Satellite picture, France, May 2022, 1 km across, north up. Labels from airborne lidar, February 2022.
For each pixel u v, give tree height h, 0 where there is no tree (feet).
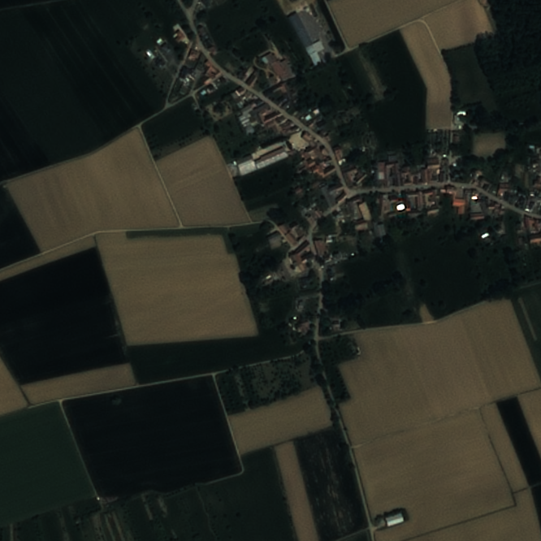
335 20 0
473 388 0
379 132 0
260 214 0
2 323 0
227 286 0
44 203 0
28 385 0
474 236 44
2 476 0
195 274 0
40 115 0
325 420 0
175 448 0
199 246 0
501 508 0
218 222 0
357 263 0
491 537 0
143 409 0
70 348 0
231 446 0
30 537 0
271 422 0
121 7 0
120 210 0
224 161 0
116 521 0
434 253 0
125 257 0
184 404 0
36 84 0
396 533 0
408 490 0
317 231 0
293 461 0
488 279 0
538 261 0
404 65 0
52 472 0
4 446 0
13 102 0
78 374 0
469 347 0
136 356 0
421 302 0
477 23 0
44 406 0
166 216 0
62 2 0
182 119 0
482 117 102
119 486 0
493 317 0
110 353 0
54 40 0
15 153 0
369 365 0
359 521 0
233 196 0
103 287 0
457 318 0
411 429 0
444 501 0
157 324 0
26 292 0
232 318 0
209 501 0
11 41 0
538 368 0
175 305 0
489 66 72
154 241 0
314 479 0
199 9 0
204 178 0
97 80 0
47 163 0
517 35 84
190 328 0
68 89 0
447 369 0
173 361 0
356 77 0
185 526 0
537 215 0
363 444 0
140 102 0
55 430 0
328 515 0
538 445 0
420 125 0
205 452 0
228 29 0
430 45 0
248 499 0
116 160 0
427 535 0
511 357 0
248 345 0
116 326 0
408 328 0
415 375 0
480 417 0
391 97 38
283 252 0
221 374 0
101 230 0
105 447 0
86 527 0
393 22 0
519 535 0
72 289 0
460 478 0
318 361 48
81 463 0
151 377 0
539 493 0
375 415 0
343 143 0
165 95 24
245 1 0
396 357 0
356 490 0
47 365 0
